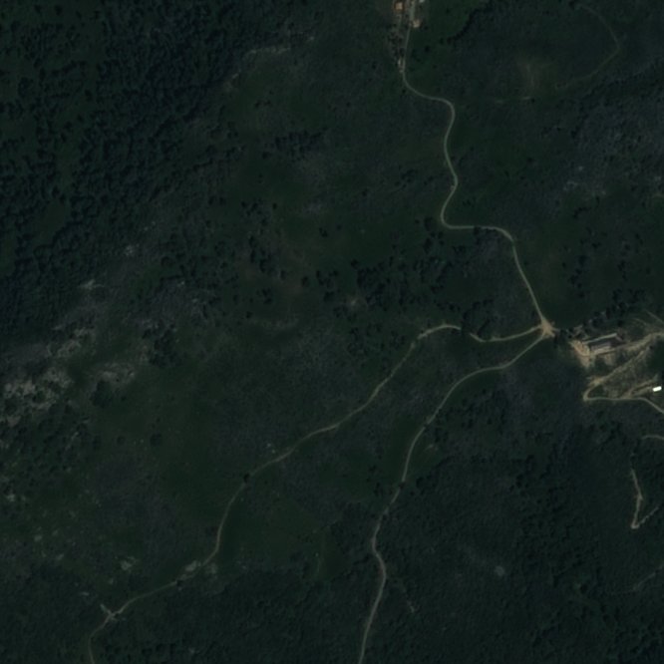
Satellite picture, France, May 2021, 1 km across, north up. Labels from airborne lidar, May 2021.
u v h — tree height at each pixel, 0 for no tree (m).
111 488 6
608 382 0
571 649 16
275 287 0
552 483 17
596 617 16
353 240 0
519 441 15
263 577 7
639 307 15
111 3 20
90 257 9
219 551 0
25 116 11
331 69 6
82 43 23
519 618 25
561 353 0
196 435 0
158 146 18
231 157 18
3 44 24
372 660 9
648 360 0
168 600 6
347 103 6
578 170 8
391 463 0
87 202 21
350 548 15
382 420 6
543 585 19
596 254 0
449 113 5
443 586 8
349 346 6
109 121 21
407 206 6
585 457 8
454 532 6
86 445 16
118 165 21
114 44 20
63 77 23
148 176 20
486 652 18
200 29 22
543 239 0
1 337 11
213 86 17
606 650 9
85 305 6
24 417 12
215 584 7
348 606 8
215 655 13
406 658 12
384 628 7
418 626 16
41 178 20
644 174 6
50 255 9
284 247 8
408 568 8
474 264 9
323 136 14
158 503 7
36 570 9
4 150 16
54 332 10
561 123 18
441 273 20
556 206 8
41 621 8
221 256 18
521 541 16
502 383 8
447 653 18
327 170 6
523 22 8
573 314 0
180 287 7
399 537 11
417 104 7
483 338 20
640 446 10
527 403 12
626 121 12
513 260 7
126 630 6
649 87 24
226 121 10
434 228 24
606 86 15
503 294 11
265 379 6
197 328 14
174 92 9
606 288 0
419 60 12
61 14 21
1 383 8
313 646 9
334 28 6
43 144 18
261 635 6
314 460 7
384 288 23
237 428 6
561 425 15
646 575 8
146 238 12
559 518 17
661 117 11
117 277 7
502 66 8
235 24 19
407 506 6
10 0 9
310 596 8
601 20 10
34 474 20
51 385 11
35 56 21
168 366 22
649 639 17
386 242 0
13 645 7
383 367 6
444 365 6
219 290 14
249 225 15
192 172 13
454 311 17
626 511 6
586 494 7
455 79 12
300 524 0
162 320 7
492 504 7
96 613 7
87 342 10
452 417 11
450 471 9
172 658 9
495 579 13
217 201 17
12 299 14
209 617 10
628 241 19
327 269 0
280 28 9
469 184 6
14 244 0
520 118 6
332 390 6
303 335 13
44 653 8
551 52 8
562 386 7
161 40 27
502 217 6
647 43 8
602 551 9
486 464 16
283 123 8
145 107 27
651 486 8
